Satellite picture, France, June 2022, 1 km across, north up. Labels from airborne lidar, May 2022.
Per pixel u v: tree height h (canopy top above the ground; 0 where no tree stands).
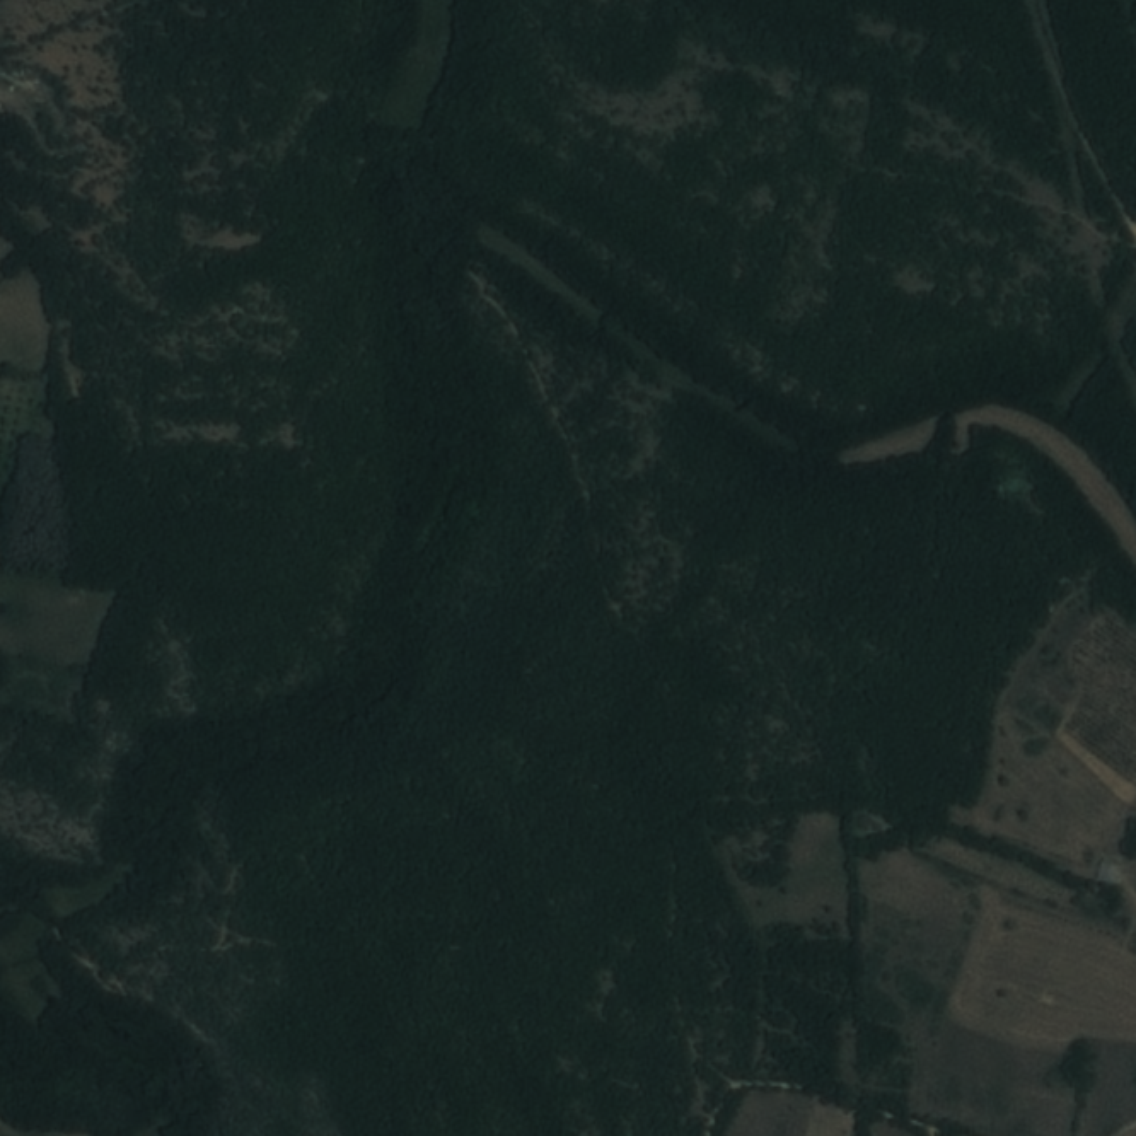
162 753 18
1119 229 6
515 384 6
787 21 10
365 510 10
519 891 9
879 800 8
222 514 12
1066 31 9
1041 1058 0
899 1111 8
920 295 6
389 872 8
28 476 15
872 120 7
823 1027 12
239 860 8
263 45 10
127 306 7
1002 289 6
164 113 6
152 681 8
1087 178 8
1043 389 14
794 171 6
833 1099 8
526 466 6
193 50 11
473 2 11
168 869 11
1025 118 10
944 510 11
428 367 14
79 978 11
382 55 15
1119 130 10
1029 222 8
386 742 10
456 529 14
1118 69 9
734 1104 11
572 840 8
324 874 9
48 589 0
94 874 6
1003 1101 0
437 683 7
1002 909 0
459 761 8
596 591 9
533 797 11
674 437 7
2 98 0
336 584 7
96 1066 14
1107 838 0
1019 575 13
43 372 8
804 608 9
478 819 7
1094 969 0
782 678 6
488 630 11
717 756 8
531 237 11
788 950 8
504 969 9
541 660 8
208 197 7
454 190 9
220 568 10
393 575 14
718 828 11
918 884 0
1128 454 10
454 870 9
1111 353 10
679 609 6
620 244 9
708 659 8
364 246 10
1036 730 0
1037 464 10
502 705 9
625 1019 6
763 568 9
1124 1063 0
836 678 6
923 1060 0
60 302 10
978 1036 0
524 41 7
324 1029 8
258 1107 6
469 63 14
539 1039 8
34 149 9
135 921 6
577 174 7
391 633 15
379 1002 6
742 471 10
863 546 7
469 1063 6
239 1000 6
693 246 8
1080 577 8
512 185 9
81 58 0
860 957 8
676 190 7
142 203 8
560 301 15
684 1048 9
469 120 10
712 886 11
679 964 10
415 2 12
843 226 6
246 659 8
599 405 6
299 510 8
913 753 10
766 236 6
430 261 6
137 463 8
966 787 11
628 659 8
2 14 0
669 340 14
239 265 10
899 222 6
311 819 7
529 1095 8
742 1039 6
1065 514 10
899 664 12
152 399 7
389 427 9
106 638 15
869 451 0
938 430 9
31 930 0
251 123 7
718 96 7
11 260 12
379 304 9
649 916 11
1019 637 11
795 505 8
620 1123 6
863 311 8
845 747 10
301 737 14
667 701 9
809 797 7
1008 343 7
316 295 8
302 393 8
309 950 9
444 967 11
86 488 14
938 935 0
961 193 8
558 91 5
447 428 15
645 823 11
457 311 7
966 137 7
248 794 10
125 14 6
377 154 15
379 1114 7
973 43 7
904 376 7
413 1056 6
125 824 14
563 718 9
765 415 14
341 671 12
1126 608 8
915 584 10
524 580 7
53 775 7
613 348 15
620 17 6
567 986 10
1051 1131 0
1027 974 0
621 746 7
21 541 18
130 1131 13
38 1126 14
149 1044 8
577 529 9
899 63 6
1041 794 0
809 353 8
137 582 12
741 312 11
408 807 8
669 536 6
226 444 6
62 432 15
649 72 6
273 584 9
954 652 12
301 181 9
